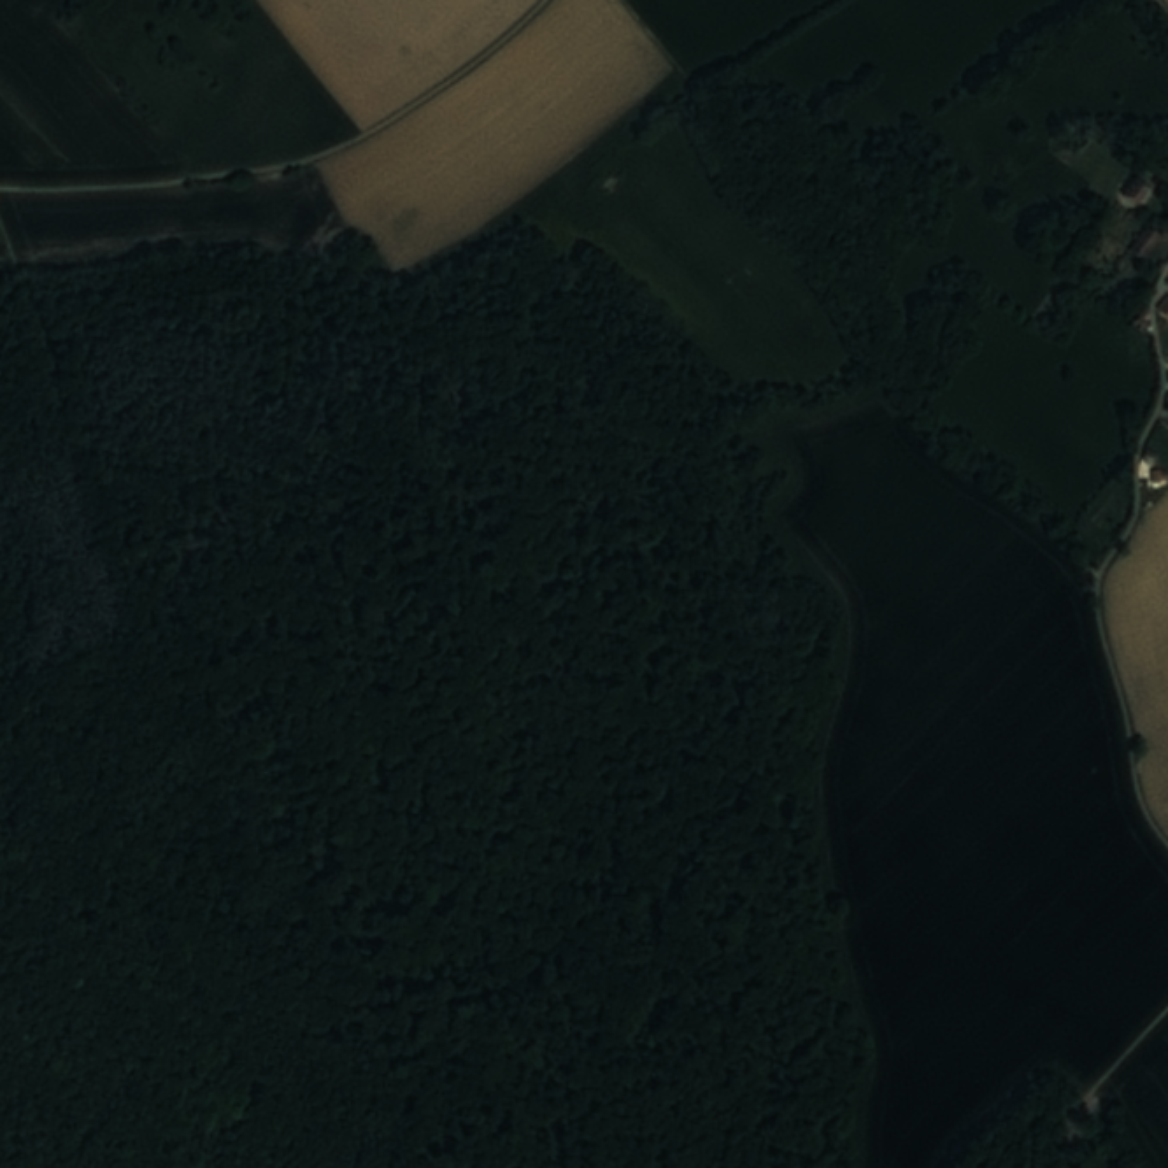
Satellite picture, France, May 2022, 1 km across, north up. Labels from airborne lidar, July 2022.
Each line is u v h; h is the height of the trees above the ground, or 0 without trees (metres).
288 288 22
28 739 23
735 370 0
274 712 21
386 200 0
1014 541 0
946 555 0
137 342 25
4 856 24
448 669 29
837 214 25
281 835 25
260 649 23
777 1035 27
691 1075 20
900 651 0
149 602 23
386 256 0
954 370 9
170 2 12
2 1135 17
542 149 0
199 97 0
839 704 0
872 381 18
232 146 0
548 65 0
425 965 25
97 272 15
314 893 29
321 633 23
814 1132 27
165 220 0
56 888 20
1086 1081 0
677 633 22
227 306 11
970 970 0
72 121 0
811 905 19
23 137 0
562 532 25
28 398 22
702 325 0
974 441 12
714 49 0
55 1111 13
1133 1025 0
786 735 20
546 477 19
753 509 15
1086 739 0
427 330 26
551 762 23
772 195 27
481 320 22
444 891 21
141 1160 12
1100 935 0
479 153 0
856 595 0
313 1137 17
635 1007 27
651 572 27
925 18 0
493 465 24
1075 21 27
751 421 22
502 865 25
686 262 0
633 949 23
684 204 0
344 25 0
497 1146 22
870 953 0
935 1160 0
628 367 24
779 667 17
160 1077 15
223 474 19
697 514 28
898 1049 0
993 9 0
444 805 22
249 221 0
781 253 17
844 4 8
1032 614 0
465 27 0
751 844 25
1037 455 0
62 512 20
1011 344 0
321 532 25
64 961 21
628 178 0
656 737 27
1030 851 0
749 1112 24
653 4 0
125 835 26
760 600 30
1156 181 7
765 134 24
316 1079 21
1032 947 0
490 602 20
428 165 0
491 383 23
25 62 0
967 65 0
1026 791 0
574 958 26
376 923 22
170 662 25
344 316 20
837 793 0
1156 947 0
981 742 0
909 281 0
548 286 22
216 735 27
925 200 27
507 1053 29
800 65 0
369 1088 22
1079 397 0
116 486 18
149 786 31
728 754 28
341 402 25
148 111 8
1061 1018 0
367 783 22
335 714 23
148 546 21
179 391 27
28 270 15
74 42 0
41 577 28
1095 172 0
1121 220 0
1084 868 0
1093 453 0
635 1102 21
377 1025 27
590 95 0
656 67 0
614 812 22
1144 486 0
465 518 9
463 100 0
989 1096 0
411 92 0
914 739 0
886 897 0
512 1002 24
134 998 20
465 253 7
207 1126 12
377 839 24
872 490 0
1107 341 0
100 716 25
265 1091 20
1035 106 0
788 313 0
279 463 24
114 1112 15
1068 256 27
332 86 0
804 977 23
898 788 0
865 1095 0
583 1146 21
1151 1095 0
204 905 23
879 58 0
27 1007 16
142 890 18
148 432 28
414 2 0
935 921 0
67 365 24
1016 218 0
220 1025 18
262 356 25
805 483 0
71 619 21
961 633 0
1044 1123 23
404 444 26
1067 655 0
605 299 13
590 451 23
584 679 22
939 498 0
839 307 13
